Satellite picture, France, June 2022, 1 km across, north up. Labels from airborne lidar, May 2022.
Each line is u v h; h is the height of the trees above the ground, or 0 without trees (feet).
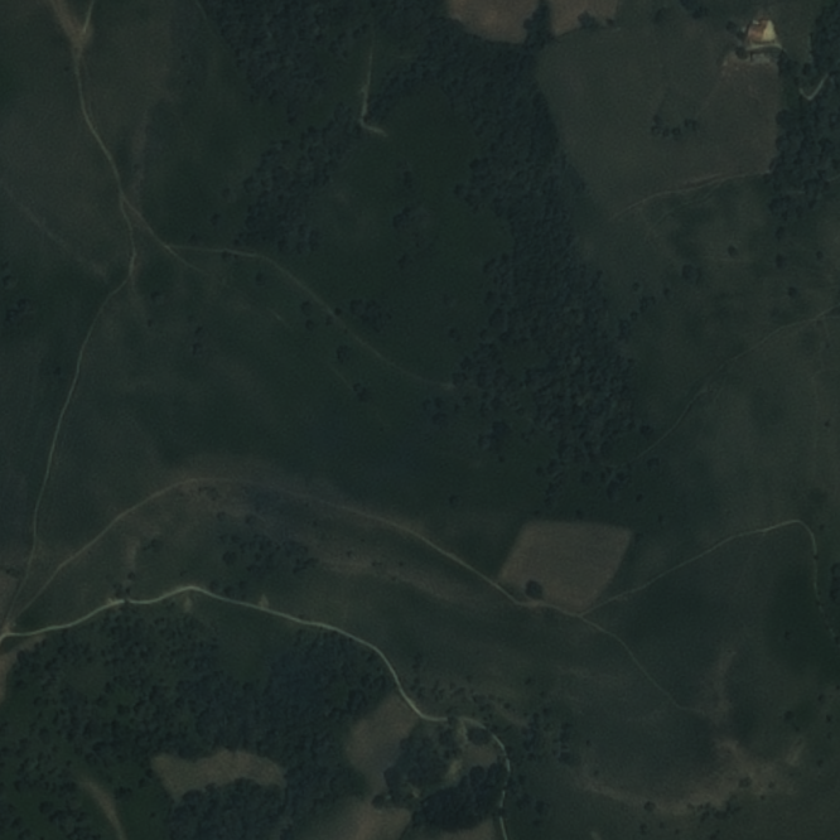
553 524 0
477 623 0
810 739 0
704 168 0
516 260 43
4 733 33
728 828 0
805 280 0
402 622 0
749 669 0
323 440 0
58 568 0
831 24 33
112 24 0
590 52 0
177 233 0
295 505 0
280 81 73
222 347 0
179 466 0
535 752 42
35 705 35
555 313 54
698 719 0
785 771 0
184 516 0
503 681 0
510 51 35
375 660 59
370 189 0
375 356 0
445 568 0
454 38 53
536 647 0
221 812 75
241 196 0
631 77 0
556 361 65
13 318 39
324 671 30
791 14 0
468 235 0
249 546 30
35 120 0
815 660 0
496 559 0
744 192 0
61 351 0
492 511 0
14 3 0
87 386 0
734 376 0
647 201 0
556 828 0
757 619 0
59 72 0
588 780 0
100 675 0
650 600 0
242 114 0
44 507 0
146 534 0
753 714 0
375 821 0
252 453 0
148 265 0
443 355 0
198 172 0
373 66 0
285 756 65
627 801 0
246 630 0
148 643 43
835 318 0
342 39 43
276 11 40
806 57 0
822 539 0
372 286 0
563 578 0
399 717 0
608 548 0
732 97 0
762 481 0
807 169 49
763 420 0
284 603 0
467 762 0
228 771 0
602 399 30
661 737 0
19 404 0
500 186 46
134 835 0
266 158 43
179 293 0
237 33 55
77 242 0
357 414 0
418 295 0
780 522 0
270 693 57
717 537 0
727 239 0
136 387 0
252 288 0
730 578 0
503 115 24
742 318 0
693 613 0
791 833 0
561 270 45
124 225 0
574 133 0
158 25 0
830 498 0
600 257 0
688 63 0
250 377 0
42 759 33
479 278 0
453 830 52
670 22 0
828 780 0
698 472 0
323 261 0
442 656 0
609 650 0
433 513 0
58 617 0
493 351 56
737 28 22
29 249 0
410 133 0
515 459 0
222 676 47
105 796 0
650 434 42
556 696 0
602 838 0
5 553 0
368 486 0
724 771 0
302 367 0
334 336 0
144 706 44
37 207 0
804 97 38
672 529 0
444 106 0
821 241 0
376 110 69
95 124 0
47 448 0
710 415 0
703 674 0
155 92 0
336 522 0
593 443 58
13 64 0
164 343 0
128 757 73
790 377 0
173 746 66
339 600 0
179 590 0
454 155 0
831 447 0
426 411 31
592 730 0
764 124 0
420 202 26
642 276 0
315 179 48
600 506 0
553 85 0
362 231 0
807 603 0
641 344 0
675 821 0
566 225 33
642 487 0
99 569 0
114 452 0
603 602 0
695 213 0
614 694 0
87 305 0
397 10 25
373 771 0
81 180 0
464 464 0
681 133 35
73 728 59
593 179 0
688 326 0
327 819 0
